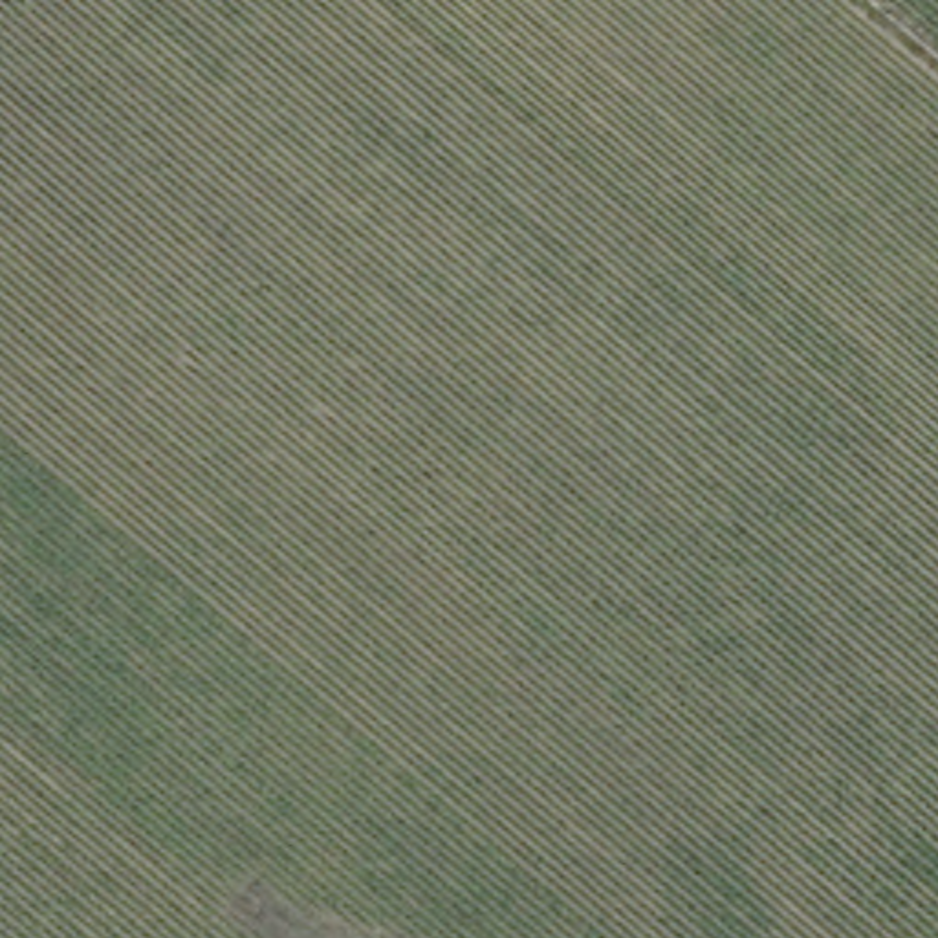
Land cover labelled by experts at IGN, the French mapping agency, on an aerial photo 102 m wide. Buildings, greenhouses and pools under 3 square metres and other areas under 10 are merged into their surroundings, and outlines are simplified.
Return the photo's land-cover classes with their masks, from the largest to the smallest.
<instances>
[{"label":"vineyard","instance_id":"1","mask_svg":"<svg viewBox=\"0 0 938 938\"><path fill-rule=\"evenodd\" d=\"M0 938H938V0H0Z\"/></svg>","mask_w":938,"mask_h":938}]
</instances>
